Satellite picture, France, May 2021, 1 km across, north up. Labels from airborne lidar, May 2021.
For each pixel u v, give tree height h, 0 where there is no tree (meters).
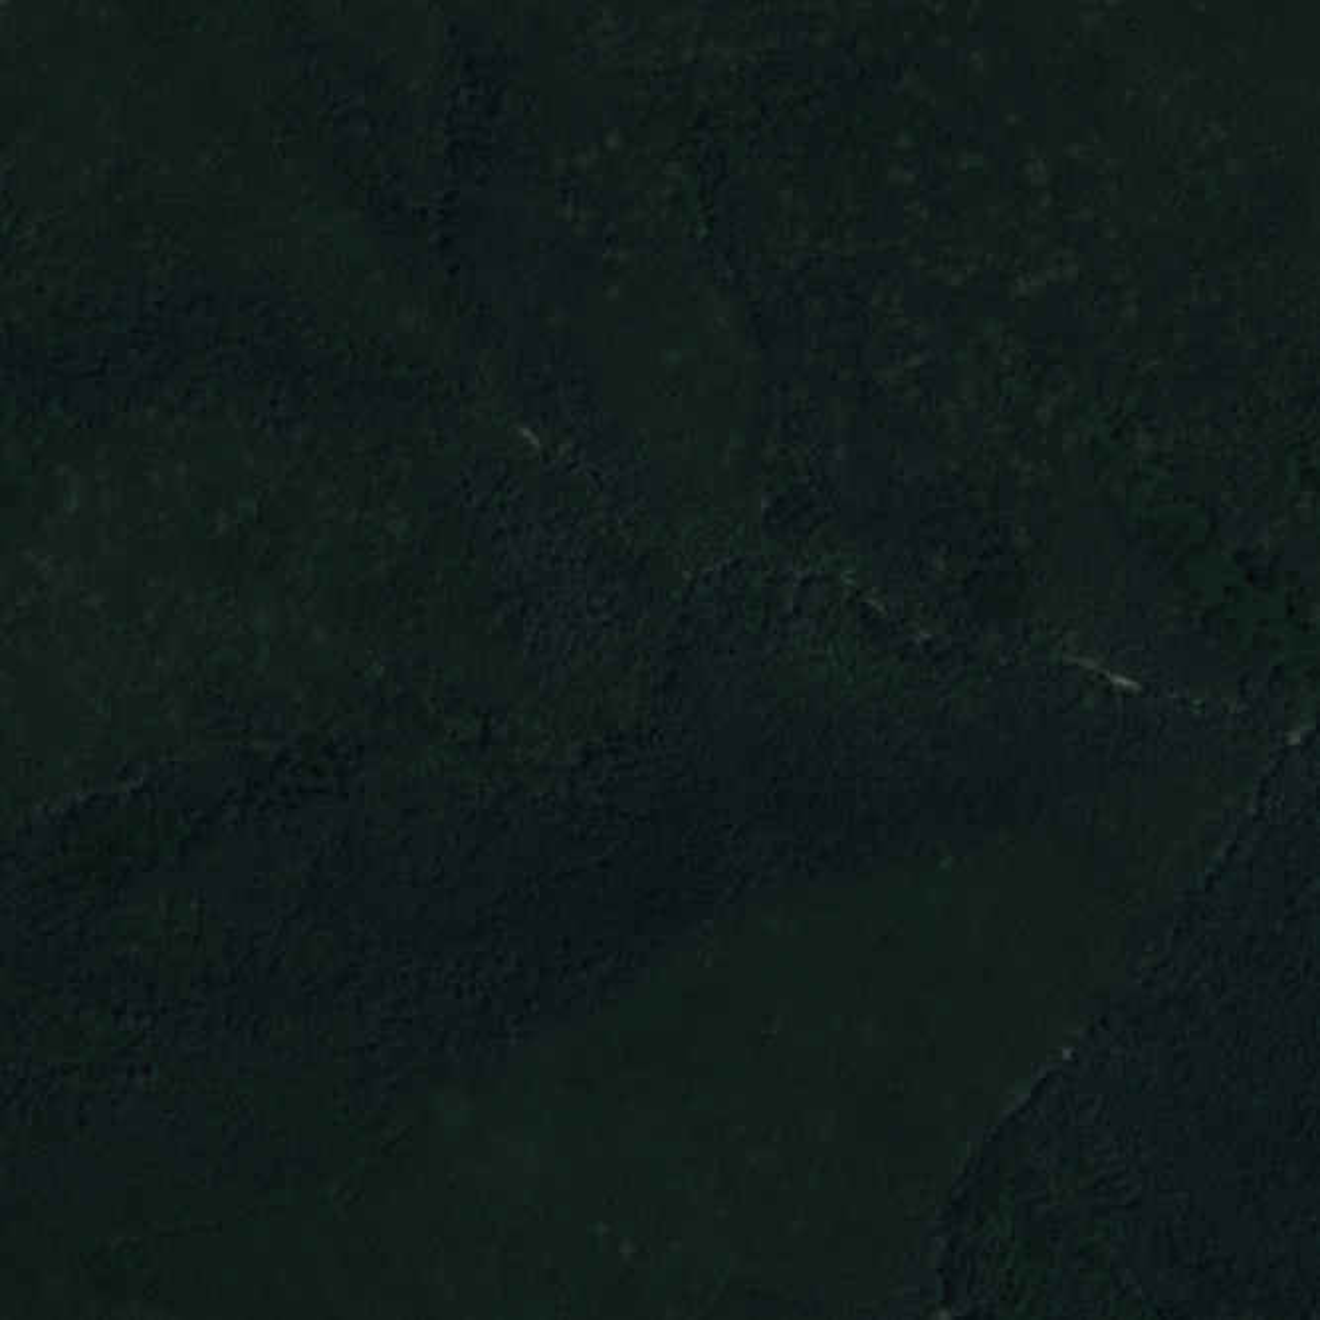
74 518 7
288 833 18
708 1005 8
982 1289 16
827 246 12
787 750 16
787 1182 8
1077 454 8
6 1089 14
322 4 7
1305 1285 9
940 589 16
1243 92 8
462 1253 9
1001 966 8
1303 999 11
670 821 18
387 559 13
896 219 10
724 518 12
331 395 17
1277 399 11
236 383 11
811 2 12
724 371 8
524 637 25
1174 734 13
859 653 12
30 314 18
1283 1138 10
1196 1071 14
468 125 19
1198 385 12
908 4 10
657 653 17
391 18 9
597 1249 8
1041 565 14
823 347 12
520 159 10
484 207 14
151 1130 7
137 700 12
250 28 12
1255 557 20
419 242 19
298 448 13
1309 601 13
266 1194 11
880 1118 7
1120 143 9
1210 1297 11
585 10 13
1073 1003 8
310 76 17
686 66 14
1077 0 8
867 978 9
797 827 14
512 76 12
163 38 9
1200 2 8
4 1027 12
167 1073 7
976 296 9
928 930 7
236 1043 7
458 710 24
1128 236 12
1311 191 6
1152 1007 13
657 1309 9
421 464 15
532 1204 9
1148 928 13
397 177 14
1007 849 7
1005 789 13
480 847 14
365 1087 10
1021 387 13
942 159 17
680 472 9
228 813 18
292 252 8
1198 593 9
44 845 20
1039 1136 16
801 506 8
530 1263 8
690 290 11
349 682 14
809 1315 11
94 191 12
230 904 13
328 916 15
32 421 12
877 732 12
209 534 11
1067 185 10
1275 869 11
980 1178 15
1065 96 8
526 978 18
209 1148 9
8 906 14
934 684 13
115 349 24
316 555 11
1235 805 12
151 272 15
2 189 14
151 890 14
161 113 9
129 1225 8
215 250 10
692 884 12
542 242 11
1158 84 12
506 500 15
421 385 14
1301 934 11
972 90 12
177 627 11
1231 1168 9
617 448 15
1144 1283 12
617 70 11
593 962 16
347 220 8
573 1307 8
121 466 9
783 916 6
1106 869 14
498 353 12
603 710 18
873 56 10
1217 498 10
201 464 7
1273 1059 11
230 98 9
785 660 13
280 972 15
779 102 13
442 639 10
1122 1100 15
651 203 10
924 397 11
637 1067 8
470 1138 6
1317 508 8
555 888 19
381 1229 8
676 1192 6
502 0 6
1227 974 14
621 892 17
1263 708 11
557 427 11
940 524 21
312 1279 9
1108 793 12
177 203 9
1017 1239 14
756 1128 10
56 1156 9
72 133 7
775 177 8
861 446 12
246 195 9
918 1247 11
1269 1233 9
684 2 9
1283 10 8
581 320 9
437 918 16
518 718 12
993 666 14
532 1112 7
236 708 19
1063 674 12
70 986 10
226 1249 6
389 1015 10
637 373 6
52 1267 7
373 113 17
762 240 13
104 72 6
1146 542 14
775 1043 10
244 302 12
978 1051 8
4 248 17
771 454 6
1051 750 12
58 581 14
